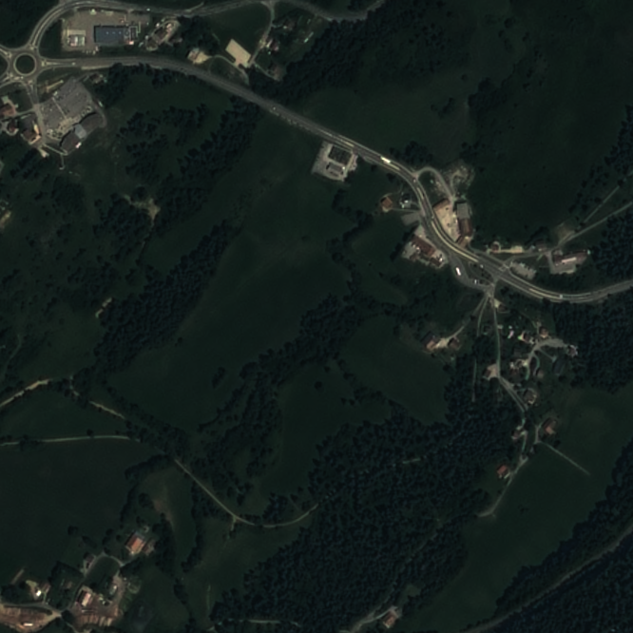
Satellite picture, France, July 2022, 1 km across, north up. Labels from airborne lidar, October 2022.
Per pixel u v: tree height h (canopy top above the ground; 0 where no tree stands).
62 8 0
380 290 0
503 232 0
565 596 23
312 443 0
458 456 30
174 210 19
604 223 0
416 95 0
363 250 0
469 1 0
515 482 0
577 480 0
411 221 0
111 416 6
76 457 0
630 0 0
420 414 0
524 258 0
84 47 0
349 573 18
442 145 0
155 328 25
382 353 0
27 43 0
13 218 0
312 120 0
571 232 0
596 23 0
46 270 0
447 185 0
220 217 0
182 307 28
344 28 11
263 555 0
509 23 11
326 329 17
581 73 0
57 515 0
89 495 0
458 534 18
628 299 7
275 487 0
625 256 25
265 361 18
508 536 0
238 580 0
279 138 0
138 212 14
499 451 25
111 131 0
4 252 0
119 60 0
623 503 24
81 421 0
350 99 0
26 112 0
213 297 0
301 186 0
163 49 8
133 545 0
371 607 14
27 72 0
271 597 16
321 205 0
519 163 0
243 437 23
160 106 0
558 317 14
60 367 0
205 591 0
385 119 0
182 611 0
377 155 0
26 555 0
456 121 0
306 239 6
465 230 0
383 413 0
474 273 0
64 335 0
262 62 0
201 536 10
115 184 0
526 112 0
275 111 0
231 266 0
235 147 18
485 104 11
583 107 0
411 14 18
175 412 0
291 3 0
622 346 16
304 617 24
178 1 0
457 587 0
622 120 0
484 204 0
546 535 0
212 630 0
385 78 6
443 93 0
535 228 0
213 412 0
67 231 7
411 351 0
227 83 0
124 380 0
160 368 0
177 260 0
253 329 0
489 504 12
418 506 7
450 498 14
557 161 0
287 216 0
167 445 18
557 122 0
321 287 0
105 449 0
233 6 0
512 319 6
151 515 0
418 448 6
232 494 17
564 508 0
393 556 13
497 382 11
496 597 0
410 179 0
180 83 0
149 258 0
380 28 19
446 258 0
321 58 20
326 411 0
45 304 0
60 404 0
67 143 0
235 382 0
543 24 0
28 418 0
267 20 0
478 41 0
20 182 0
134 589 0
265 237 0
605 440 0
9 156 0
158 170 7
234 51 0
